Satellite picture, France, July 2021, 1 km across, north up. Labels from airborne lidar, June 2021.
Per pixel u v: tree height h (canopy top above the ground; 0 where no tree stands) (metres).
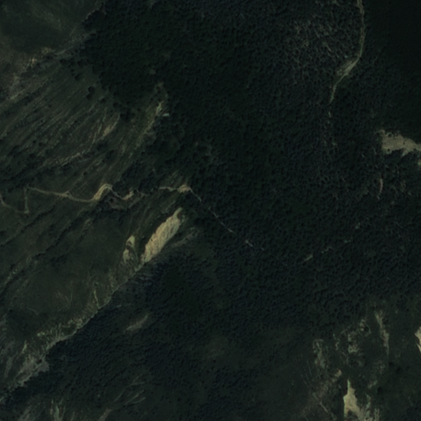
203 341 7
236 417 0
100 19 19
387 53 19
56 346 9
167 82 17
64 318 0
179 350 7
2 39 0
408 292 13
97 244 0
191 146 19
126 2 12
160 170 6
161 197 7
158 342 8
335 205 17
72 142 0
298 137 14
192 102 21
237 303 10
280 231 11
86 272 0
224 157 7
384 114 10
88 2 0
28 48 0
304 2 16
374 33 22
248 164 15
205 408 7
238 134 15
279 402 0
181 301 10
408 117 16
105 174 0
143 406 0
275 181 15
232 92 16
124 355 6
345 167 8
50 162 0
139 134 0
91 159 0
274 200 14
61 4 0
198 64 14
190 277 7
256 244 12
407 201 16
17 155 7
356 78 18
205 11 10
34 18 0
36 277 0
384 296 15
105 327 12
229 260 11
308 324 10
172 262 7
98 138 0
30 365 0
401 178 20
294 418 0
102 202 12
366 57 14
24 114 0
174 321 9
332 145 16
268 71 10
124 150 0
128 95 13
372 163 6
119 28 12
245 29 14
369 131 16
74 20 0
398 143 0
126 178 6
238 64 17
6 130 0
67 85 0
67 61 12
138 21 11
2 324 0
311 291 12
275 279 18
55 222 0
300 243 17
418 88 16
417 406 7
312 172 13
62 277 0
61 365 6
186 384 6
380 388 8
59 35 0
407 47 22
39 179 6
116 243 0
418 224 16
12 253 0
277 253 17
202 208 15
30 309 0
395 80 10
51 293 0
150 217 0
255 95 13
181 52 14
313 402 0
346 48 6
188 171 6
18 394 8
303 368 0
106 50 10
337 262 14
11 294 0
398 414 0
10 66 0
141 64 10
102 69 14
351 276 14
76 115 0
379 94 21
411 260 19
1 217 0
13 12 0
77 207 0
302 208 7
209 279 8
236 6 8
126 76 15
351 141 21
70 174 0
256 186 15
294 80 14
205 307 10
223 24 12
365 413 0
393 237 18
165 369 15
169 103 7
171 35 14
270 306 14
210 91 14
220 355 0
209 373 7
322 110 7
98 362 10
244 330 11
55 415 0
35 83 0
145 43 10
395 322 0
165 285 7
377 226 12
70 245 0
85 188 0
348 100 12
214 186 13
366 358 8
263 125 14
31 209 0
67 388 9
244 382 12
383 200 17
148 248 0
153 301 14
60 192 0
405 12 22
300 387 0
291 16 15
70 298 0
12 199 0
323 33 14
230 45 11
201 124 19
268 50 10
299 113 15
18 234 0
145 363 7
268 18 19
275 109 12
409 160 15
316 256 14
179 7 10
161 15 11
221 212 13
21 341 0
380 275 16
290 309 15
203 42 14
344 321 9
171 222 0
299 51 17
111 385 8
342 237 7
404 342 0
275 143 12
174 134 9
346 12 14
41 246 0
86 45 7
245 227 9
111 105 0
